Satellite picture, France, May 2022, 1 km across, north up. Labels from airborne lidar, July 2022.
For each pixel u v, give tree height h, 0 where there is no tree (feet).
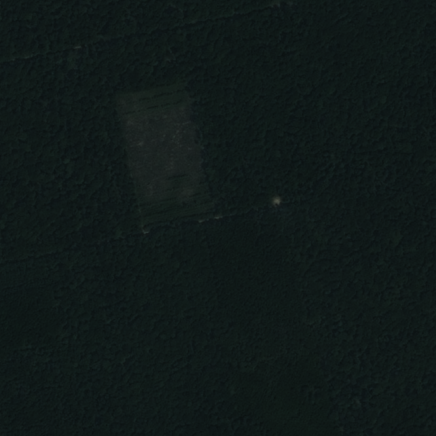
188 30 89
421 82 80
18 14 88
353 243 84
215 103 83
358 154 81
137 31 23
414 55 29
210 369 84
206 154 72
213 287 66
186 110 0
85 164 89
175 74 80
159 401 68
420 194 87
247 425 65
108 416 85
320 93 82
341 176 84
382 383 101
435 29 83
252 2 83
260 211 41
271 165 86
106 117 66
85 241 93
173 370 48
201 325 81
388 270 81
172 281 75
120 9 90
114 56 90
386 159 73
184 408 81
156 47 87
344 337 100
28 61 34
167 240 76
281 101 49
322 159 42
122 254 85
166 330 91
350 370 71
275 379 24
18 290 67
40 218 84
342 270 56
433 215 83
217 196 83
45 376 77
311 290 86
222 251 77
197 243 64
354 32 67
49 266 70
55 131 45
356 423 99
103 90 85
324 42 72
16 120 90
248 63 68
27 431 72
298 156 85
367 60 83
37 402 49
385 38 75
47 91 83
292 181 41
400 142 84
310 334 71
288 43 73
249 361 53
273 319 73
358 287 94
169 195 0
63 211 74
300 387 23
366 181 82
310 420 30
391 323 91
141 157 0
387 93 73
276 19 59
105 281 68
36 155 81
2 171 87
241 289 79
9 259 68
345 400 94
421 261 61
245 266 75
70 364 65
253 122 73
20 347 83
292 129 86
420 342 88
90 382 76
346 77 91
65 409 62
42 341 78
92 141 82
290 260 59
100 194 93
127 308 66
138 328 83
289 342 65
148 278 55
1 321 87
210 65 81
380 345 97
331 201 91
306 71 73
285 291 64
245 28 59
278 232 77
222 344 71
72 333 76
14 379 44
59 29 35
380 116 79
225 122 85
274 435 43
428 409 93
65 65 85
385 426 96
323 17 84
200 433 72
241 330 63
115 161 89
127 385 71
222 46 100
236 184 81
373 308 99
